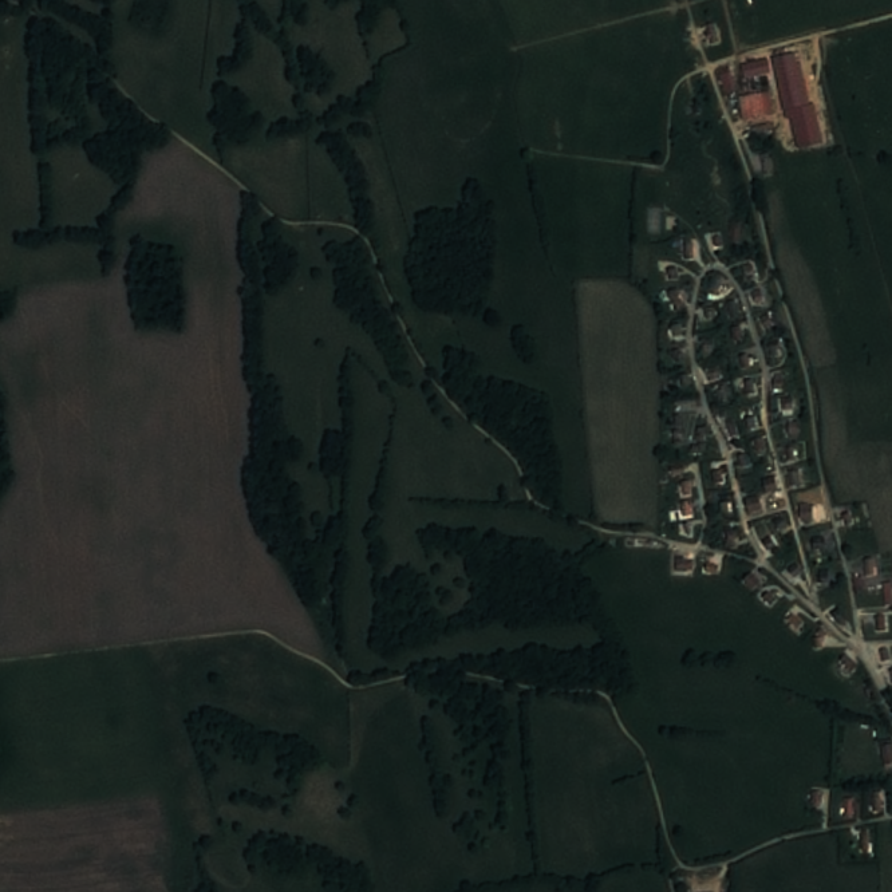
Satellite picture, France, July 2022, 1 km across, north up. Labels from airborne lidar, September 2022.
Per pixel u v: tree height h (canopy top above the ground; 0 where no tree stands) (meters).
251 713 0
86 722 0
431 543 14
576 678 13
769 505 0
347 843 0
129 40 0
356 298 17
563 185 0
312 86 13
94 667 0
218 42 0
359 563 0
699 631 0
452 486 0
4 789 0
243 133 8
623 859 0
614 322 0
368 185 17
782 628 0
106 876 0
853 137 0
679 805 0
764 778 0
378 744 0
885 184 0
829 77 6
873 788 15
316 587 17
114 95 20
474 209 13
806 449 0
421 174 0
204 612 0
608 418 0
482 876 0
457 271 14
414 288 13
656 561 0
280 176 0
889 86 0
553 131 0
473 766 13
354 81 0
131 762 0
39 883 0
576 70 0
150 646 0
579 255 0
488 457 0
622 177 0
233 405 0
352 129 12
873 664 0
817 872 0
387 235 0
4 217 0
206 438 0
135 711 0
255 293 15
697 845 0
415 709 0
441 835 0
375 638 15
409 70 0
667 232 0
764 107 0
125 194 13
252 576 0
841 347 0
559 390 0
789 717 0
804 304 0
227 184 0
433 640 10
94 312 0
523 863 0
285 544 17
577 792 0
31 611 0
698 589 0
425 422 0
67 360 0
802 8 0
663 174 0
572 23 0
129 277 10
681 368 9
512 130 0
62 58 21
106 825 0
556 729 0
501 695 16
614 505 0
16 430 0
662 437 0
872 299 0
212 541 0
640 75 0
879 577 0
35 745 0
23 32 0
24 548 0
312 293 0
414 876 0
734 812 0
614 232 0
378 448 0
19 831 0
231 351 0
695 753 0
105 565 0
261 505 20
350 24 0
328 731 0
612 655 9
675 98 0
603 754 0
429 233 15
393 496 0
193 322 0
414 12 0
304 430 0
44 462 0
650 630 0
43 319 0
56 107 6
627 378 0
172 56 0
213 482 0
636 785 0
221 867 0
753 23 0
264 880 0
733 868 8
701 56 0
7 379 0
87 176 0
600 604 14
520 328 12
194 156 0
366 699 0
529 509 7
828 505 0
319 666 0
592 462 0
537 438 18
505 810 13
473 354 7
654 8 0
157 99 0
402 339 14
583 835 0
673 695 0
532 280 0
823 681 0
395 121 0
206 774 10
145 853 0
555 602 16
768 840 0
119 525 0
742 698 0
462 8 0
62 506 0
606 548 8
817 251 0
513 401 17
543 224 9
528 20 0
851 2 0
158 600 0
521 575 13
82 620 0
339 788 12
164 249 13
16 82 0
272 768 0
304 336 0
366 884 13
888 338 0
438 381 9
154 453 0
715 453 0
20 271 0
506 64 0
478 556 18
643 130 0
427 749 16
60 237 14
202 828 0
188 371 0
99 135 9
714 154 0
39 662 0
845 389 0
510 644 0
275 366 0
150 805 0
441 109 0
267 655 0
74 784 0
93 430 0
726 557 6
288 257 17
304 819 0
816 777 0
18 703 0
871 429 0
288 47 14
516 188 0
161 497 0
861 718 12
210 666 0
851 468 0
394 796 0
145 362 0
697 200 0
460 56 0
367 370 7
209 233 0
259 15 19
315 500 0
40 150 21
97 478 0
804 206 0
